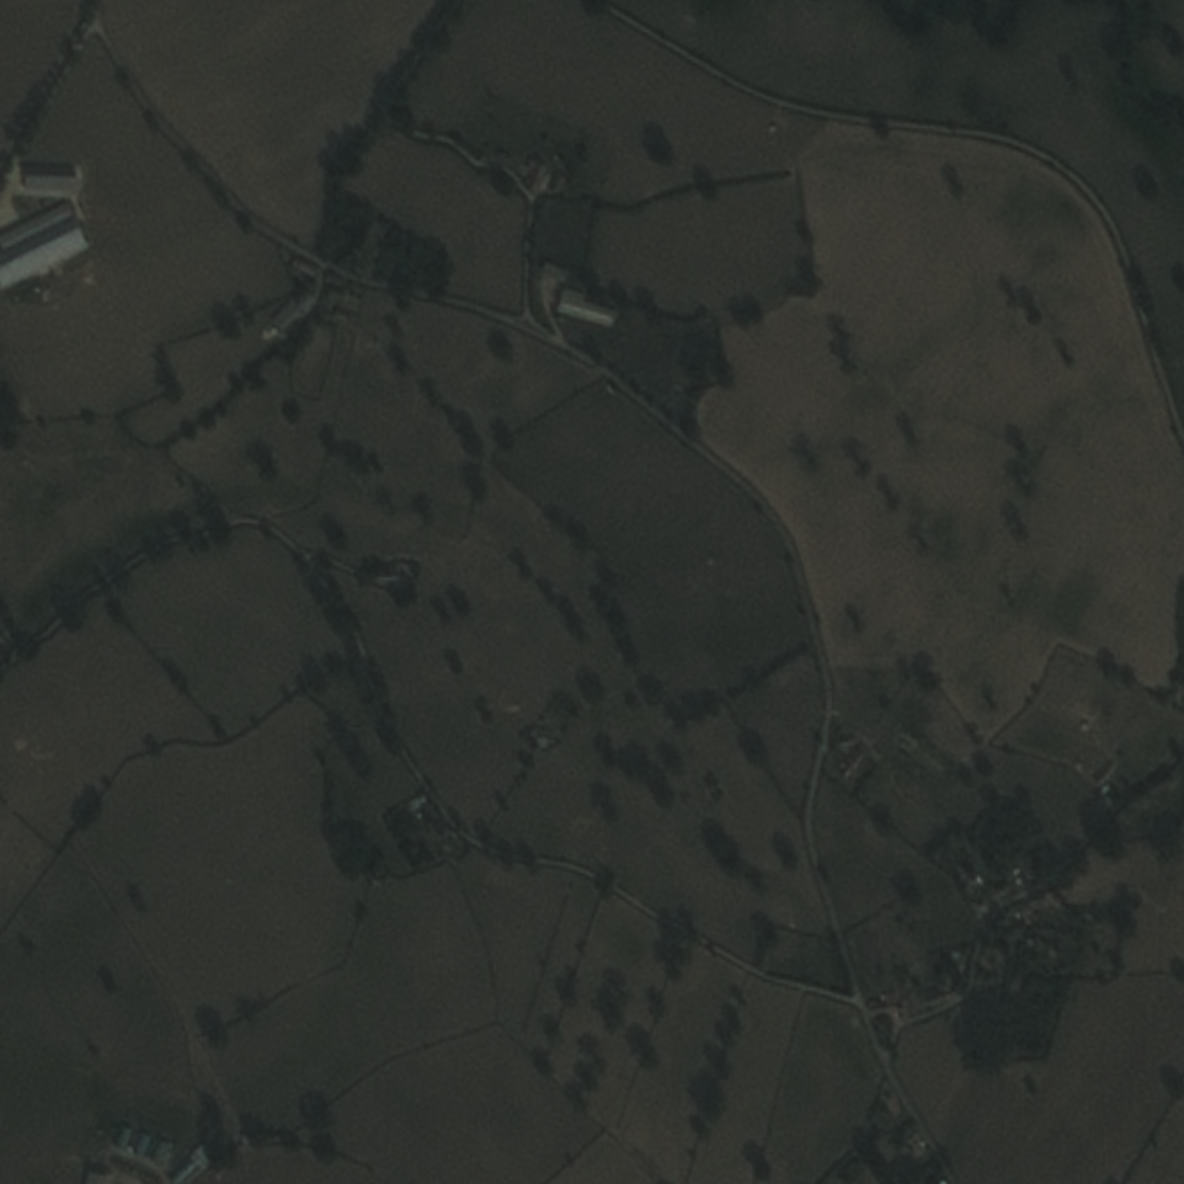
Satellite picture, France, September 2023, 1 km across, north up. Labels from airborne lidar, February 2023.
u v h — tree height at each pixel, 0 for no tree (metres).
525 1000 0
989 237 0
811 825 0
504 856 15
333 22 0
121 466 0
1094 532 0
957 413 0
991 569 0
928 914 0
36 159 0
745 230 0
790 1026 0
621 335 0
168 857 0
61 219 0
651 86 0
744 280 0
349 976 0
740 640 0
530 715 0
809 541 0
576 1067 0
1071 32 0
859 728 0
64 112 0
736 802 0
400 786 0
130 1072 0
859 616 14
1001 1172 0
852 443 0
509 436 16
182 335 0
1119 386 0
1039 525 0
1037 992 7
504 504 0
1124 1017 0
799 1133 0
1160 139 0
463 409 0
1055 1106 0
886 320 0
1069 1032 0
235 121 0
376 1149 0
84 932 0
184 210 0
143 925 0
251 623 0
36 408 0
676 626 0
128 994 0
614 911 0
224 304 0
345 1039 0
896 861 0
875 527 0
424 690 0
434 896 0
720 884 0
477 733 0
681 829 0
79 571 0
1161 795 0
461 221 0
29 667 0
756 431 0
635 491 0
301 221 0
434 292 10
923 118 0
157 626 0
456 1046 0
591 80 0
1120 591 0
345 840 16
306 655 0
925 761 0
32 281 0
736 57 0
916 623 0
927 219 0
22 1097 0
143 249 0
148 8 0
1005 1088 0
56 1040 0
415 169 0
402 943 0
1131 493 0
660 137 16
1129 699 0
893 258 0
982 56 0
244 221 11
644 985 0
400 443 0
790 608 0
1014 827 6
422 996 0
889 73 0
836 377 0
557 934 0
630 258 0
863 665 0
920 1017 0
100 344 0
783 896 0
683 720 19
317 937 0
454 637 0
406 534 0
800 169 0
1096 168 0
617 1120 0
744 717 0
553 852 0
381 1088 0
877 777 0
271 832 0
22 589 0
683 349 0
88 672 0
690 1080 0
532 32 0
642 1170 0
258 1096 0
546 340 0
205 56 0
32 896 0
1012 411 0
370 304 0
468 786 0
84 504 0
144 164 0
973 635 0
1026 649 0
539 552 0
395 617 0
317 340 0
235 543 0
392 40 0
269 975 0
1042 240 0
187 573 0
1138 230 0
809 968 0
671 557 0
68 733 0
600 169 0
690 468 0
